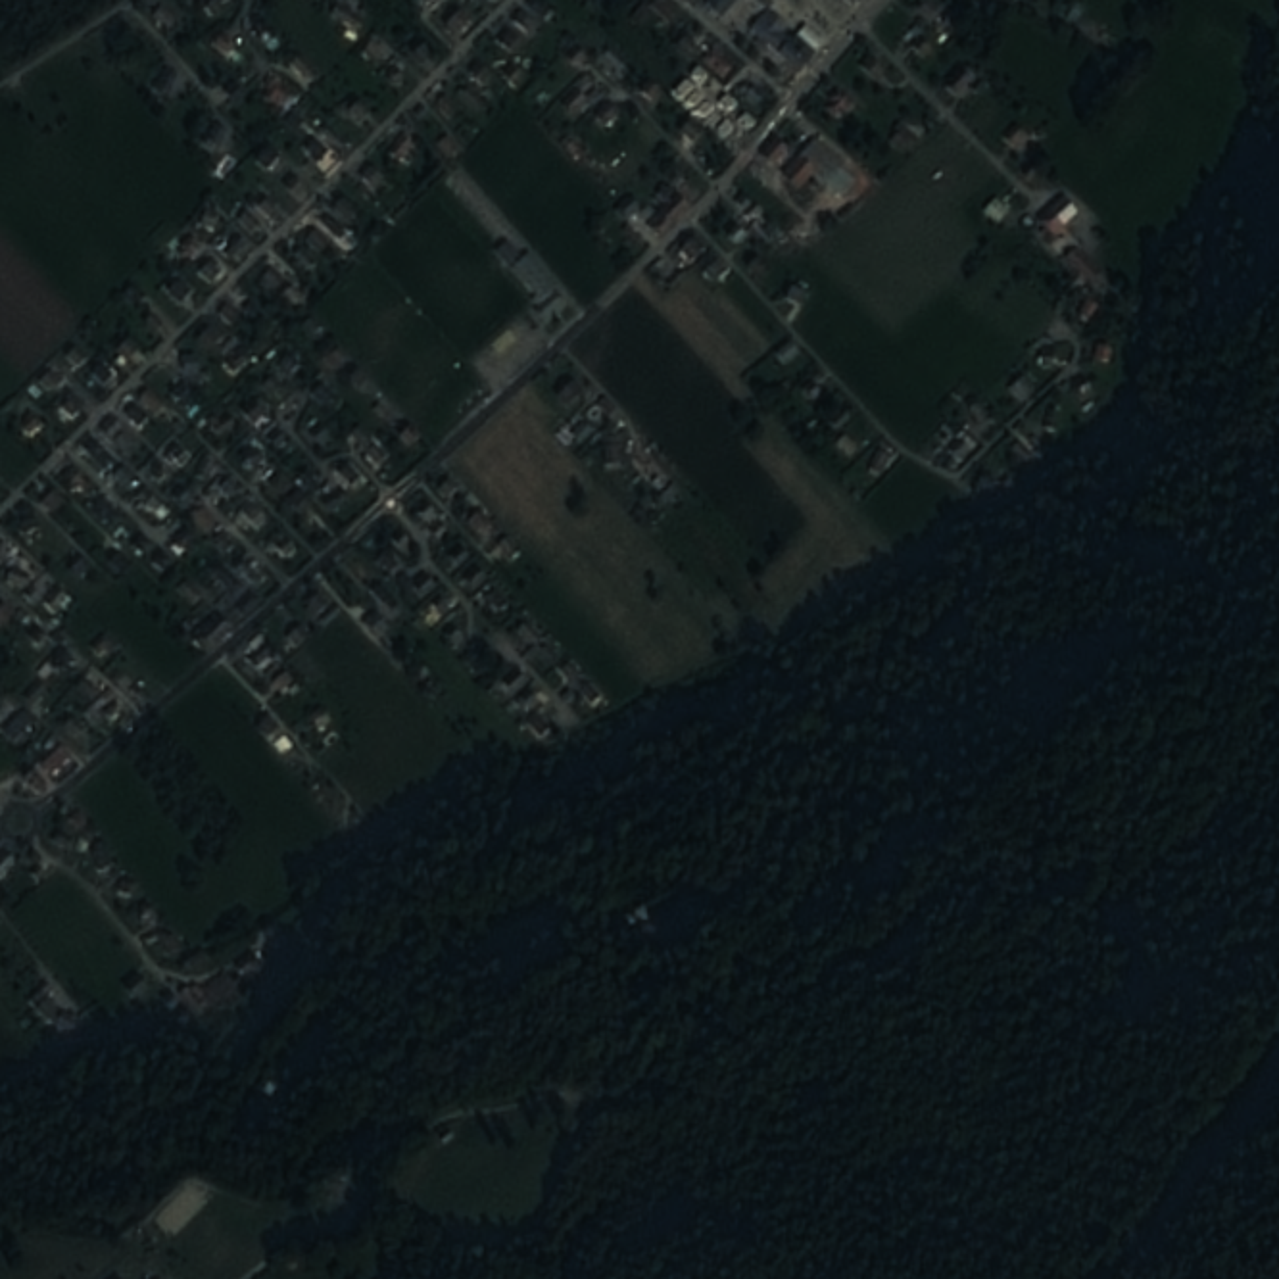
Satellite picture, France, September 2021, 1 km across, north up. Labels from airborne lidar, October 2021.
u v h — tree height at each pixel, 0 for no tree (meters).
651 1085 10
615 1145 16
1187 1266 21
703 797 22
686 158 0
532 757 8
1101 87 24
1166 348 29
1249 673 26
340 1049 30
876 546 0
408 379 0
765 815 18
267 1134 28
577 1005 25
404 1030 27
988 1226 27
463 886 24
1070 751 22
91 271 0
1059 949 26
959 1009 23
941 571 19
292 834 0
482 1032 22
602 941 27
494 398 0
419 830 28
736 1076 22
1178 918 26
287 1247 18
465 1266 23
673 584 0
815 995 23
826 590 0
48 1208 20
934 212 0
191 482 7
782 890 24
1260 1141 25
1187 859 30
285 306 8
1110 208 0
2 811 0
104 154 0
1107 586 31
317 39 0
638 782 24
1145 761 27
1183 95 0
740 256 0
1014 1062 21
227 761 0
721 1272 20
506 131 0
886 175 6
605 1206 15
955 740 33
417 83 0
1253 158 11
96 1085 25
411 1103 32
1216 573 25
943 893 19
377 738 0
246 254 0
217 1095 21
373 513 0
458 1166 0
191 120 6
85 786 0
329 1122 23
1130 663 34
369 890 35
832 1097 23
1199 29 0
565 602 0
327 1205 0
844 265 0
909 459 0
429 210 0
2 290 0
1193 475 24
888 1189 28
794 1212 25
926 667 28
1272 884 26
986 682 22
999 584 20
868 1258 31
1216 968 28
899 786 17
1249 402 20
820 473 0
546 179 0
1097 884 30
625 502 0
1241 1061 29
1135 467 28
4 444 0
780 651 26
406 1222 25
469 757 0
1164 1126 20
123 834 0
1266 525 21
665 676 0
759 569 12
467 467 0
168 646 0
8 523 7
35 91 0
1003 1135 26
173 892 0
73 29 14
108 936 0
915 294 0
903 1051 18
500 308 0
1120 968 33
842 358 0
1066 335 0
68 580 0
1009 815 25
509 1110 0
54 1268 0
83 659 0
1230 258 27
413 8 10
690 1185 19
